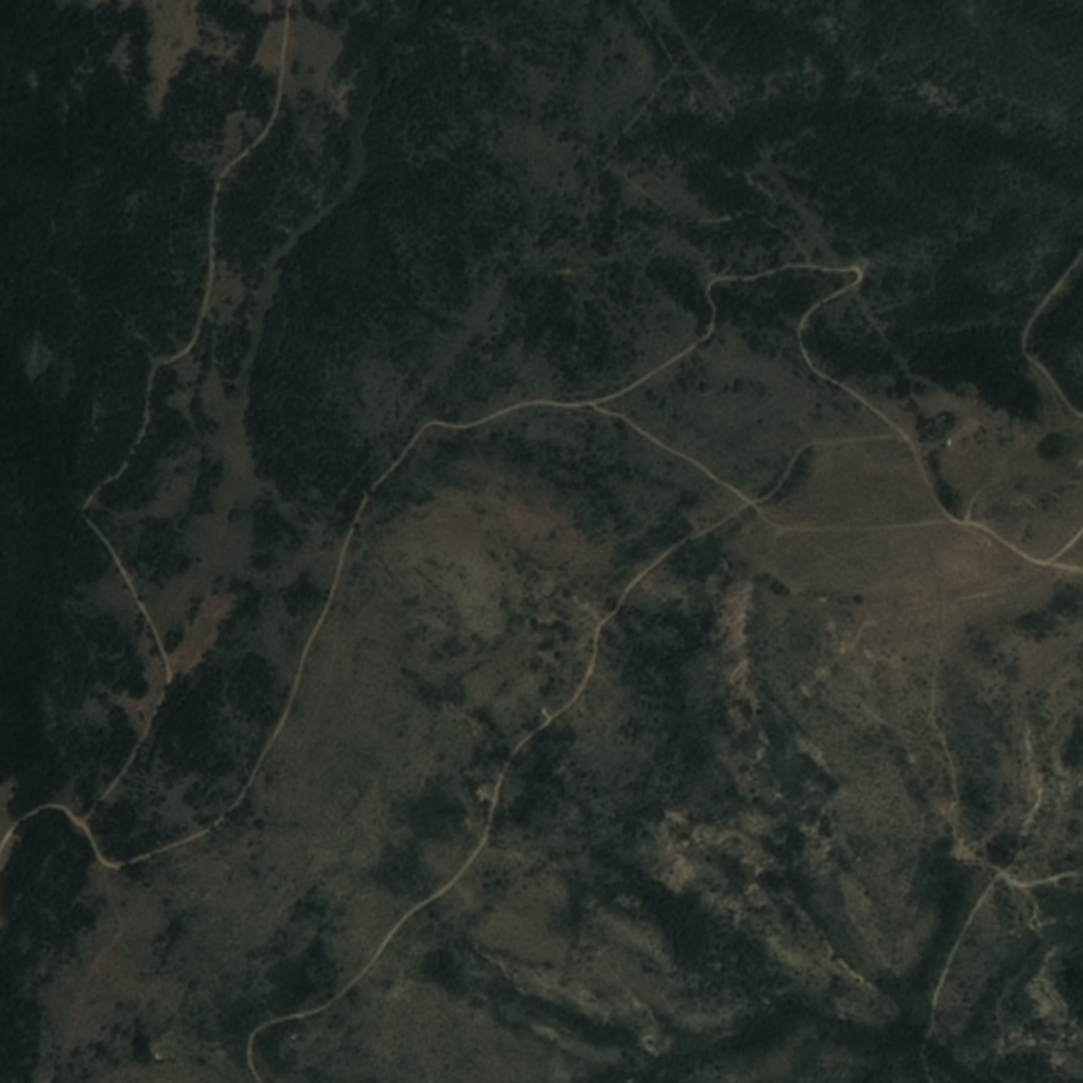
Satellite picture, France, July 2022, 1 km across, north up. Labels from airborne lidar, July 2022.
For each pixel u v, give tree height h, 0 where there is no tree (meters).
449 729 0
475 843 0
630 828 7
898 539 0
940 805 0
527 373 0
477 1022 0
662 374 0
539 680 0
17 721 7
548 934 0
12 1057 6
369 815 0
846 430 0
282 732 0
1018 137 6
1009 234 7
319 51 0
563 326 6
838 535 0
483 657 0
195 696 6
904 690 0
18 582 6
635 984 0
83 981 0
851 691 0
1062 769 0
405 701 0
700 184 6
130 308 6
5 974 6
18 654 6
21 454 9
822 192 6
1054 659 0
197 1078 0
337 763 0
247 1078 0
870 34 5
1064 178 6
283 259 7
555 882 0
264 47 0
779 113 7
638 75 0
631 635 9
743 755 0
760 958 7
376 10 7
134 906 0
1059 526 0
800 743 0
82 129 6
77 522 9
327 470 6
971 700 0
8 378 11
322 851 0
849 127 8
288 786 0
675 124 7
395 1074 0
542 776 9
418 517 0
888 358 6
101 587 0
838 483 0
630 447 0
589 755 0
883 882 0
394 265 8
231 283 0
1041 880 0
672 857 0
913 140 6
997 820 0
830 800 0
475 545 0
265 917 0
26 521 8
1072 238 7
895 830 0
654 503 0
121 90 8
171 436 7
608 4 6
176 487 0
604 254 7
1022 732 0
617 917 0
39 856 5
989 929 0
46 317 6
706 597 0
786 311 6
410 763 0
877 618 0
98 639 6
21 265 8
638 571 0
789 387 0
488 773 0
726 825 0
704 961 7
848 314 6
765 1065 0
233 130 0
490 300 0
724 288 6
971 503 0
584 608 0
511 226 7
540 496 0
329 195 8
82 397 8
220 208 6
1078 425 0
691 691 0
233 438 0
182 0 0
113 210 7
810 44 6
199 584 0
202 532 0
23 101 8
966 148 8
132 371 6
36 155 6
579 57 6
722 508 0
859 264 0
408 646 0
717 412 0
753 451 0
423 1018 0
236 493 0
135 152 6
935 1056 7
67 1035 0
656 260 6
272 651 0
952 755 0
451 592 0
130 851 6
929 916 0
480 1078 0
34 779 6
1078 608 0
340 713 0
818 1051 0
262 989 0
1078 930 0
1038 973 0
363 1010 0
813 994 0
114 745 6
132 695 5
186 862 0
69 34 7
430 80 6
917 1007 0
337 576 0
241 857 0
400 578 0
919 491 0
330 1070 0
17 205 7
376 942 0
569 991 0
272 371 6
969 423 0
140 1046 11
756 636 0
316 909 6
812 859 0
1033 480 0
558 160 0
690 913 7
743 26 6
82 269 5
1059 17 9
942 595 0
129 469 6
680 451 0
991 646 0
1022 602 0
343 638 0
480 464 0
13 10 7
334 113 6
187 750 6
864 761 0
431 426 0
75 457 7
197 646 0
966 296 8
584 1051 0
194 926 0
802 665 0
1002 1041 0
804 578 0
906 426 0
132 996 0
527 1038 0
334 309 6
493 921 0
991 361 7
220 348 8
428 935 0
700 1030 0
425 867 0
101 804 6
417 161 7
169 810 0
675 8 7
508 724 0
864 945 0
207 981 0
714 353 0
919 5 7
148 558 6
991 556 0
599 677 0
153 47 0
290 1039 0
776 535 0
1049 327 8
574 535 0
